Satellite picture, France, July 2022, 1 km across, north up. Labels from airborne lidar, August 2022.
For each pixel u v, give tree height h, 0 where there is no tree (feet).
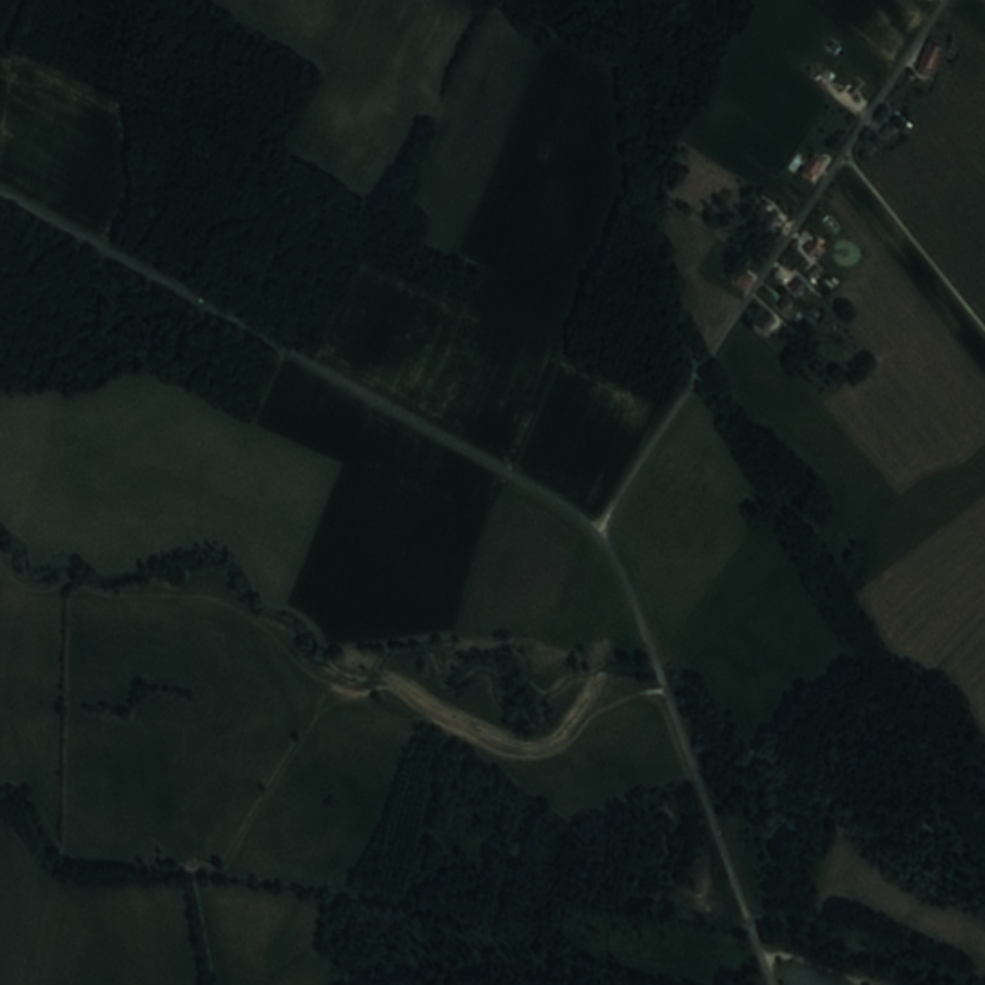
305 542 0
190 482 0
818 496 72
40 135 0
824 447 0
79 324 55
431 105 0
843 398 0
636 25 52
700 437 0
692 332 59
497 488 0
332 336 0
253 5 0
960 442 0
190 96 63
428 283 67
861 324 0
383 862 56
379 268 37
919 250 0
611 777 0
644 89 34
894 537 0
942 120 0
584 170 0
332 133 0
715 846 0
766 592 0
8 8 0
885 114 27
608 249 57
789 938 72
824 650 0
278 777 0
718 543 0
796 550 53
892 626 0
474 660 57
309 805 0
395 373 0
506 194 0
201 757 0
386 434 0
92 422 0
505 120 0
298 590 0
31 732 0
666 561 0
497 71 0
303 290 88
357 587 0
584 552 0
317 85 53
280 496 0
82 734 0
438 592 0
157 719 0
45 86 0
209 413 0
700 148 0
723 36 34
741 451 60
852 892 0
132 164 57
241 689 0
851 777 84
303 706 0
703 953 0
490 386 0
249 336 45
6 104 0
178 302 41
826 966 103
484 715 0
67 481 0
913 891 43
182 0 81
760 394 0
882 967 73
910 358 0
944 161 0
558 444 0
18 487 0
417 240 60
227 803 0
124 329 44
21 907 0
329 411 0
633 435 0
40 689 0
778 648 0
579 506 0
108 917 0
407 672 0
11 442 0
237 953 0
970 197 0
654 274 67
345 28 0
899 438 0
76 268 78
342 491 0
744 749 57
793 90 0
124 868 46
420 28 0
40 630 0
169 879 67
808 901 69
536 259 0
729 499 0
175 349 40
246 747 0
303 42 0
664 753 0
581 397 0
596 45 69
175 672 0
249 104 63
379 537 0
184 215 64
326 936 43
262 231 88
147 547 0
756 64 0
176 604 0
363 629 0
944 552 0
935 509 0
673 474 0
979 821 79
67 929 0
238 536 0
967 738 27
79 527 0
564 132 0
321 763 0
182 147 53
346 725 0
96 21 57
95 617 0
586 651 59
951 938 0
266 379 58
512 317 0
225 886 39
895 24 0
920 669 27
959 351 0
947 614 0
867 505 0
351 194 50
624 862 93
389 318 0
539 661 0
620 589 0
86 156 0
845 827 51
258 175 71
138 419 0
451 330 0
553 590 0
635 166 77
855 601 62
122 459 0
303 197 77
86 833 0
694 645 0
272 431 0
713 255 0
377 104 0
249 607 31
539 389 0
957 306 0
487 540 0
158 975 0
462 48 29
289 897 0
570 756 0
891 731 83
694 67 72
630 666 35
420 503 0
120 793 0
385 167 0
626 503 0
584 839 87
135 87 66
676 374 49
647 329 61
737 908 0
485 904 104
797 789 84
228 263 64
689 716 51
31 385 39
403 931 84
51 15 60
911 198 0
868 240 0
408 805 57
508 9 43
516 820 87
